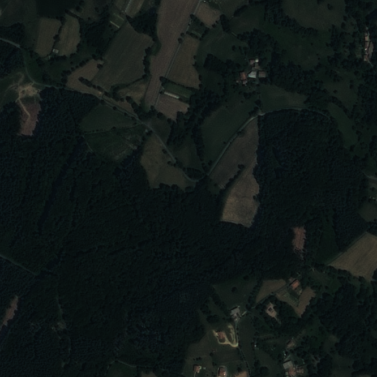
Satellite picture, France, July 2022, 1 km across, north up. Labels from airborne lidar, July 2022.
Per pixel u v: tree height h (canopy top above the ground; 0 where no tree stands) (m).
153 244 22
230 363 0
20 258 8
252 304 14
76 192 34
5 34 11
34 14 0
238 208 0
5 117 21
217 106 17
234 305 0
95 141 0
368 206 0
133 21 24
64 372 22
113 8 0
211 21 0
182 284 24
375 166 0
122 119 0
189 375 0
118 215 10
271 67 23
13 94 0
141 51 0
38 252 7
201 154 21
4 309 26
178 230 26
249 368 7
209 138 0
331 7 8
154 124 0
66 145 23
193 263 24
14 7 0
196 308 25
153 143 0
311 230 22
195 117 28
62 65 0
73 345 18
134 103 16
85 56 0
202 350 0
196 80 0
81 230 9
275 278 11
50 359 30
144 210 24
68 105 11
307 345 11
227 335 0
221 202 24
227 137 0
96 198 20
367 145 10
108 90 0
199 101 18
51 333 24
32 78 0
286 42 0
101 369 8
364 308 19
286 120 15
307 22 0
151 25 7
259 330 14
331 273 8
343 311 29
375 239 0
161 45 0
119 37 0
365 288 8
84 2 16
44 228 30
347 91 0
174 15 0
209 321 16
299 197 26
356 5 22
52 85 6
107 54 0
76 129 12
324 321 23
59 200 33
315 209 9
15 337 24
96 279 28
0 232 9
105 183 31
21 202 9
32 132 0
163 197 14
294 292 0
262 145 19
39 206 20
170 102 0
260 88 11
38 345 28
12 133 20
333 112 0
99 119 0
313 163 27
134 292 15
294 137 24
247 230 15
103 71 0
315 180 27
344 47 8
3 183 36
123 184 27
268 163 42
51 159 25
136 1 0
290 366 0
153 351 19
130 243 8
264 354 0
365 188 20
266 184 26
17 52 26
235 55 0
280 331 11
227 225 24
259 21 0
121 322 31
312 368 17
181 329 27
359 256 0
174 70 0
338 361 0
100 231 6
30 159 9
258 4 13
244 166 16
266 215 22
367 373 16
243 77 0
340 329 24
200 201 23
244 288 0
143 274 22
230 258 32
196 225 22
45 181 25
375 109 19
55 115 35
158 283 16
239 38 10
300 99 0
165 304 31
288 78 26
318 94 26
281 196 29
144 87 0
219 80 0
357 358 24
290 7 0
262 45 26
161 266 20
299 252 19
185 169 16
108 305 26
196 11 0
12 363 29
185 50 0
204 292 27
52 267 31
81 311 29
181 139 15
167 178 0
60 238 23
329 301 29
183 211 17
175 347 19
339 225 26
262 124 15
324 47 0
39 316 27
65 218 25
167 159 0
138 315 22
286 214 22
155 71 0
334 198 27
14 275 23
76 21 0
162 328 32
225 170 0
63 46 0
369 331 15
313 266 8
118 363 10
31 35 0
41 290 29
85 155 26
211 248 25
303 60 0
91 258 18
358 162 25
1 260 18
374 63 20
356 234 22
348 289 26
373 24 21
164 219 25
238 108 0
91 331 30
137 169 25
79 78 0
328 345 0
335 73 9
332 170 37
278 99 0
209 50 0
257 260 20
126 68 0
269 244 23
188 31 7
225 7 0
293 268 22
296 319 15
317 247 6
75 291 36
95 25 8
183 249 16
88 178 32
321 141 28
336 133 25
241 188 0
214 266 14
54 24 0
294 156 26
